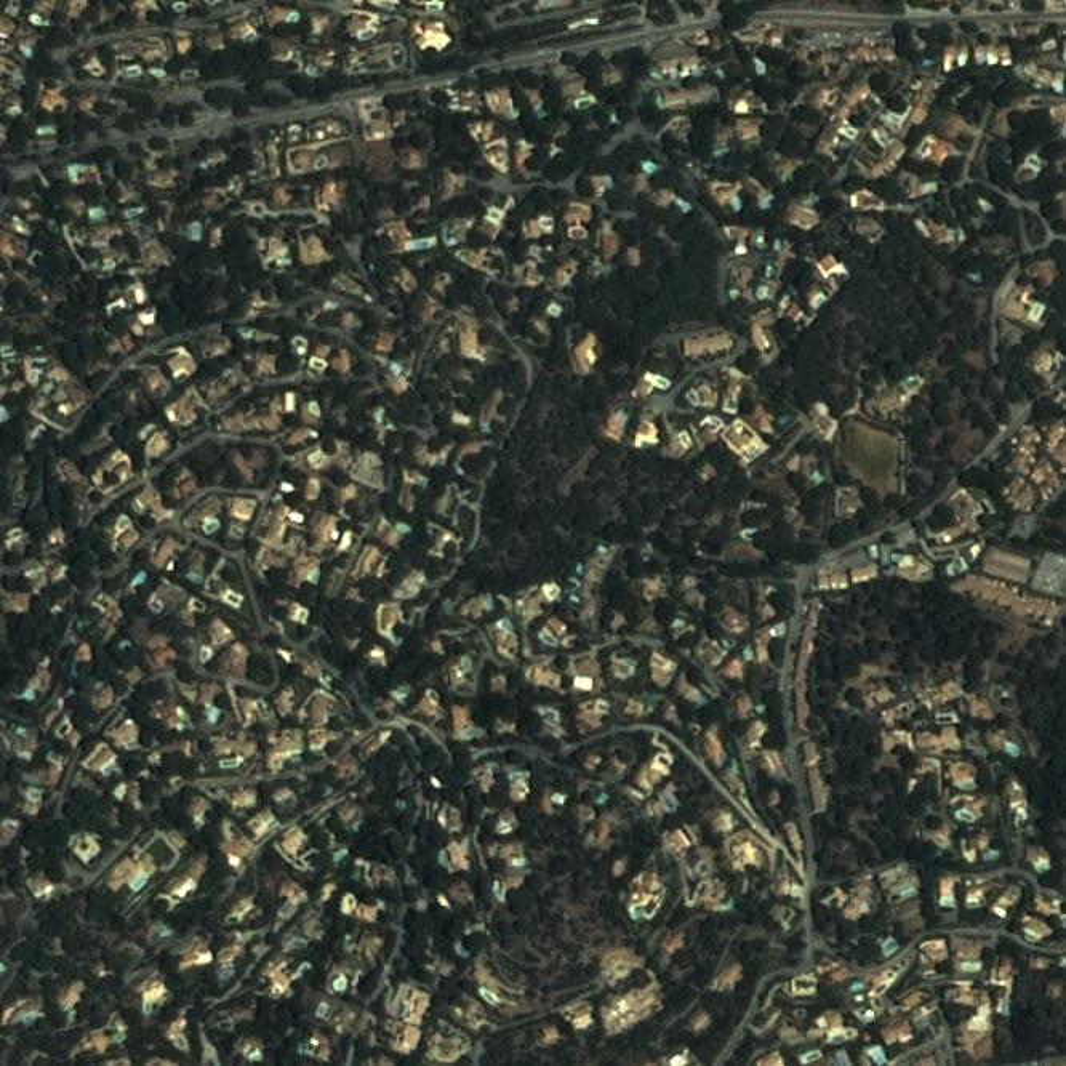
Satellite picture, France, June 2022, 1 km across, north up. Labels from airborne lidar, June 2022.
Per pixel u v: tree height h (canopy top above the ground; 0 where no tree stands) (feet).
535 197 38
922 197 23
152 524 28
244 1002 40
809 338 33
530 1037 25
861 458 0
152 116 35
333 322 33
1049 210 46
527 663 42
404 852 56
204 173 34
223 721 0
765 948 41
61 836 36
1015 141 41
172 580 21
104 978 31
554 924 21
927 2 26
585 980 25
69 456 34
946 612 44
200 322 24
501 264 39
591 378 29
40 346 32
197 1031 37
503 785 39
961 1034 23
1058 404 29
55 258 37
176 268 36
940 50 21
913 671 39
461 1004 54
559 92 34
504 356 22
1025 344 36
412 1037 0
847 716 36
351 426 34
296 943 0
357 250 0
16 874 40
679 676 18
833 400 36
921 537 39
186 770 48
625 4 19
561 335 39
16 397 36
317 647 25
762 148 26
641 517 34
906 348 35
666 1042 21
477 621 35
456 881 27
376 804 45
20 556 43
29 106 27
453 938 60
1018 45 31
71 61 23
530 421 29
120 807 21
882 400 0
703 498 39
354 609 44
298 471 26
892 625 24
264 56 34
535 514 24
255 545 34
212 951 39
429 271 30
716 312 27
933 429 52
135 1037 35
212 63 31
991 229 33
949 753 20
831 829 27
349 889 21
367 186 19
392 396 38
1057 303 35
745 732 39
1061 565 0
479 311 27
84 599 28
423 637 40
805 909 23
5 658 35
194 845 36
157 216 31
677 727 33
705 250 45
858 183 40
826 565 0
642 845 18
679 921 41
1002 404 33
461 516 20
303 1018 32
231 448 21
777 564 42
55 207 30
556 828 28
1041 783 52
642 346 31
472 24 28
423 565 36
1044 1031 30
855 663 42
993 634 23
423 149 26
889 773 41
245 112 32
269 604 28
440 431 18
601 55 29
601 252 25
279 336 31
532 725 47
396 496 38
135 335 21
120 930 30
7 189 34
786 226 36
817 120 36
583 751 26
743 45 19
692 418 23
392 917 47
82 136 27
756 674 27
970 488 37
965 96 24
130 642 31
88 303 27
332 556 26
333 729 41
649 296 28
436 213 25
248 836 30
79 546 35
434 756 38
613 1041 23
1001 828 20
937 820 39
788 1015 20
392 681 44
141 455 21
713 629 38
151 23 42
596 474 37
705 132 44
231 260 35
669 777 22
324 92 35
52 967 38
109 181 30
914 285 26
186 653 35
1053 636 30
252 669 28
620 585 36
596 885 20
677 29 0
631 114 39
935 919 24
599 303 31
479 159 18
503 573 22
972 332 30
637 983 22
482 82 37
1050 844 45
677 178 21
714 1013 38
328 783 50
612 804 18
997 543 21
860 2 32
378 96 0
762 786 30
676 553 25
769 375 38
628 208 27
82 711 41
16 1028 27
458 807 23
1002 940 31
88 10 33
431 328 26
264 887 17
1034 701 24
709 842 23
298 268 21
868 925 53
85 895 30
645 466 33
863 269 33
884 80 46
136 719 42
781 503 34
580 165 32
